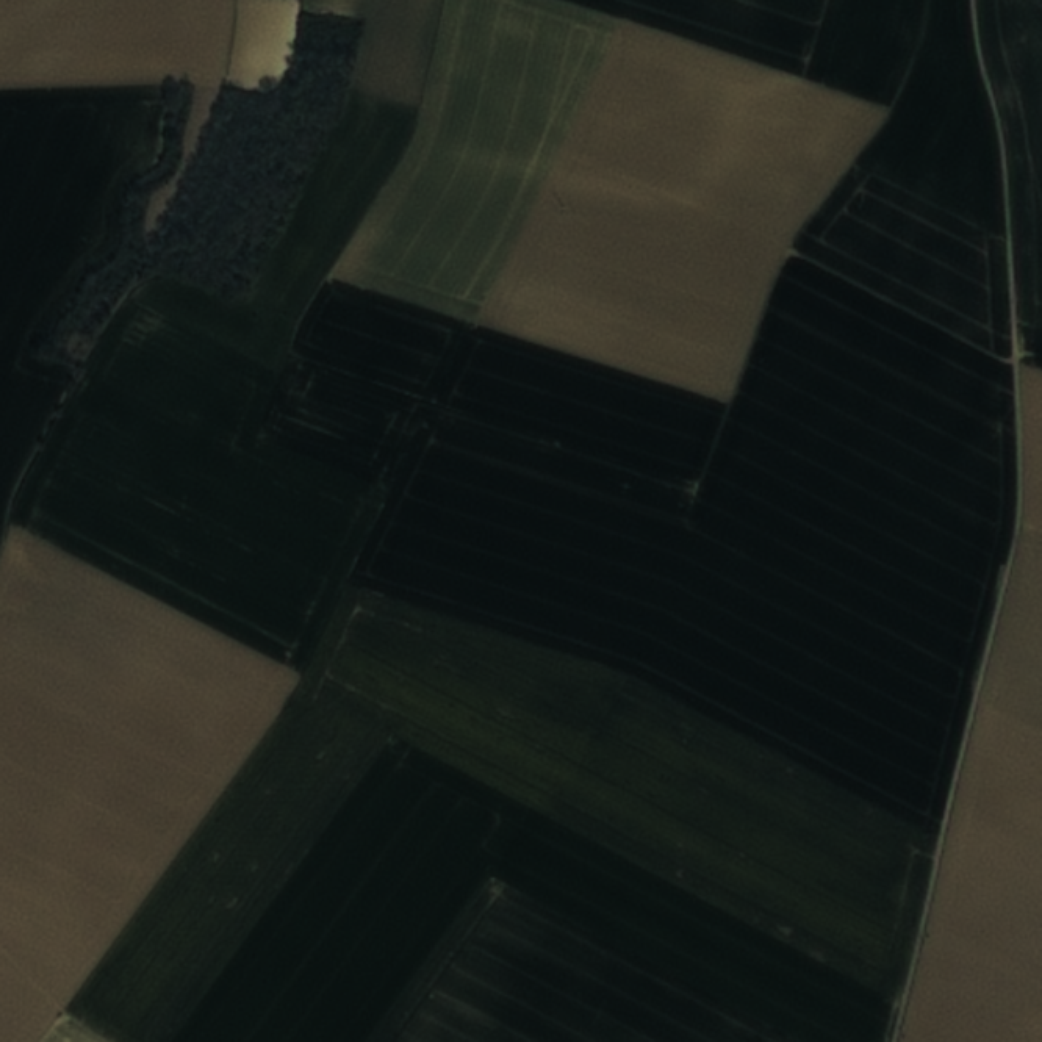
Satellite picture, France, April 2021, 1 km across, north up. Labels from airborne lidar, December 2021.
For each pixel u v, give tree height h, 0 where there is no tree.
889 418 0
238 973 0
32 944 0
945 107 0
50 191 0
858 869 0
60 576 0
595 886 0
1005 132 0
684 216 0
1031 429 0
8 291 0
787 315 0
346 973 0
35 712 0
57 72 0
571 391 0
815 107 0
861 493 0
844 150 0
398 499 0
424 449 0
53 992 0
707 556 0
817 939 0
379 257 0
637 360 0
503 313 0
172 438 0
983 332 0
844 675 0
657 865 0
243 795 0
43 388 0
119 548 0
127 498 0
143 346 0
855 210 0
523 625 0
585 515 0
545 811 0
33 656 0
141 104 0
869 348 0
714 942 0
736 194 0
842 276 0
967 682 0
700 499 0
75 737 0
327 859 0
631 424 0
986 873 0
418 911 0
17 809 0
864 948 0
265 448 0
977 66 0
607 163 0
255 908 0
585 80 0
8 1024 0
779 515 0
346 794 0
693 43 0
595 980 0
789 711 0
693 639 0
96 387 0
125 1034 0
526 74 0
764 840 0
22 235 0
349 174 0
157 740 0
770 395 0
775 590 0
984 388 0
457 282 0
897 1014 0
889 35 0
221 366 0
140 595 0
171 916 0
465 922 0
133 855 0
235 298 14
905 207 0
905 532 0
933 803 0
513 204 0
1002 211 0
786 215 0
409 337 0
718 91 0
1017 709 0
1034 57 0
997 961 0
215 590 0
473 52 0
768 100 0
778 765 0
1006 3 0
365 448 0
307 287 0
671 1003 0
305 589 0
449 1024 0
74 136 0
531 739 0
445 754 0
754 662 0
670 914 0
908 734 0
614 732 0
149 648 0
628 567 0
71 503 0
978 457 0
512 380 0
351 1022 0
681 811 0
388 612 0
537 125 0
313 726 0
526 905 0
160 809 0
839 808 0
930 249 0
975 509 0
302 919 0
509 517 0
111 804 0
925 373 0
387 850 0
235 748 0
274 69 0
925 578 0
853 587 0
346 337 0
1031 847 0
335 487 0
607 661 0
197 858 0
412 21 0
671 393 0
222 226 18
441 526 0
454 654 0
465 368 0
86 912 0
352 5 0
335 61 16
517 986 0
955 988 0
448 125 0
